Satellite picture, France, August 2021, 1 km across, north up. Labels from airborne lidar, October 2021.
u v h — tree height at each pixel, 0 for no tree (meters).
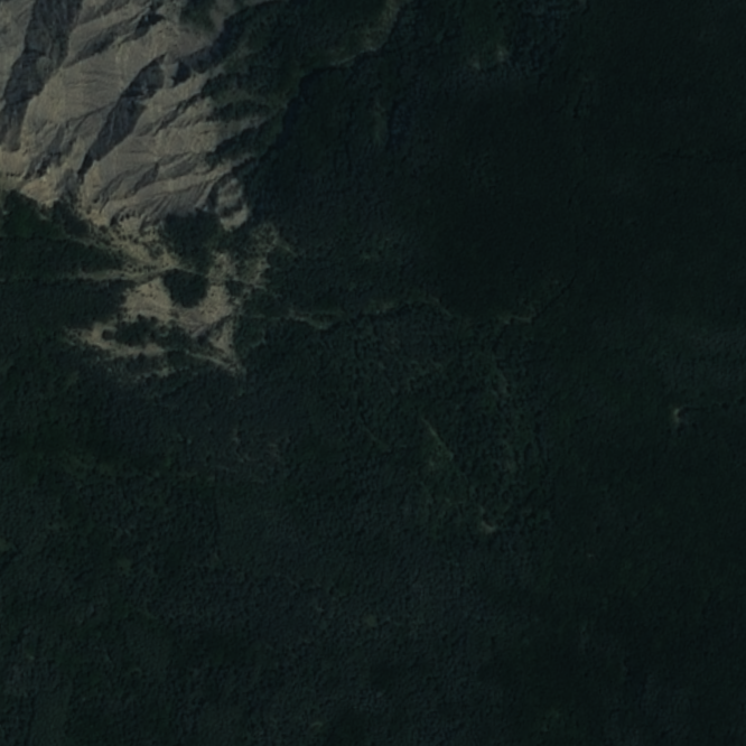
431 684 14
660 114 28
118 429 26
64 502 14
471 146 20
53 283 7
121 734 9
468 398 20
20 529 26
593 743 14
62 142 0
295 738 14
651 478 25
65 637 13
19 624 29
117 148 0
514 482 17
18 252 19
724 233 24
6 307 23
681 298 19
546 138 24
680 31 20
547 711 11
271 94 22
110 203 0
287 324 9
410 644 15
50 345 23
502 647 23
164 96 0
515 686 12
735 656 25
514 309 18
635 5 22
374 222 26
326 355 27
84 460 7
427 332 22
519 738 13
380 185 25
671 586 30
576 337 18
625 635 27
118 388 10
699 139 22
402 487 18
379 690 24
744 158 22
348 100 20
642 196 22
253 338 10
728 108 25
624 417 20
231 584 24
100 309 23
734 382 17
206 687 15
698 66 26
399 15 12
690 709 25
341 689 14
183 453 13
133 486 17
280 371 27
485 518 11
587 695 20
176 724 13
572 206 25
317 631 20
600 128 26
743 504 21
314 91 23
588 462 20
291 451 23
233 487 8
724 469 22
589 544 22
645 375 18
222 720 25
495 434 22
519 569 28
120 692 7
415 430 16
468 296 25
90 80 0
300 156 23
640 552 21
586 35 22
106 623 6
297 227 21
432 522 19
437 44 23
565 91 27
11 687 19
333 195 19
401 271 15
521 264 19
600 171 20
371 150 14
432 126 25
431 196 20
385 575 20
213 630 18
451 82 24
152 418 24
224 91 6
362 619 17
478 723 17
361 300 24
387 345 17
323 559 20
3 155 0
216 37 0
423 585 24
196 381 17
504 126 23
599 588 29
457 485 17
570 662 23
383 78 26
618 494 22
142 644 26
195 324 0
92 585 26
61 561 18
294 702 14
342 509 24
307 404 26
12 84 0
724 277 19
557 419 18
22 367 20
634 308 15
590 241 25
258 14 12
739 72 25
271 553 25
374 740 19
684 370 17
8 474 23
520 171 23
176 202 0
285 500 9
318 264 25
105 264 14
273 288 7
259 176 17
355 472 14
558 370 18
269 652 15
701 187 24
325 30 22
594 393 17
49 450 10
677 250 20
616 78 24
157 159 0
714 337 13
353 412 26
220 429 18
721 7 16
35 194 0
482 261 23
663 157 13
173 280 20
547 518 22
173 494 13
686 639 28
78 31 0
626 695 25
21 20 0
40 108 0
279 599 23
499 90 21
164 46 0
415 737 26
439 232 22
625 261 23
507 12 23
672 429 23
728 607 30
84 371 11
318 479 23
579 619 26
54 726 24
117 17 0
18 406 24
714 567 24
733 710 20
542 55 24
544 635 16
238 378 10
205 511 18
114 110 0
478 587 23
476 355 10
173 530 12
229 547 24
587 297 21
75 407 12
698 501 19
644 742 18
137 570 15
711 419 21
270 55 15
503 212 22
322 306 16
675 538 21
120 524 16
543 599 20
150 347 0
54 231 13
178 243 13
